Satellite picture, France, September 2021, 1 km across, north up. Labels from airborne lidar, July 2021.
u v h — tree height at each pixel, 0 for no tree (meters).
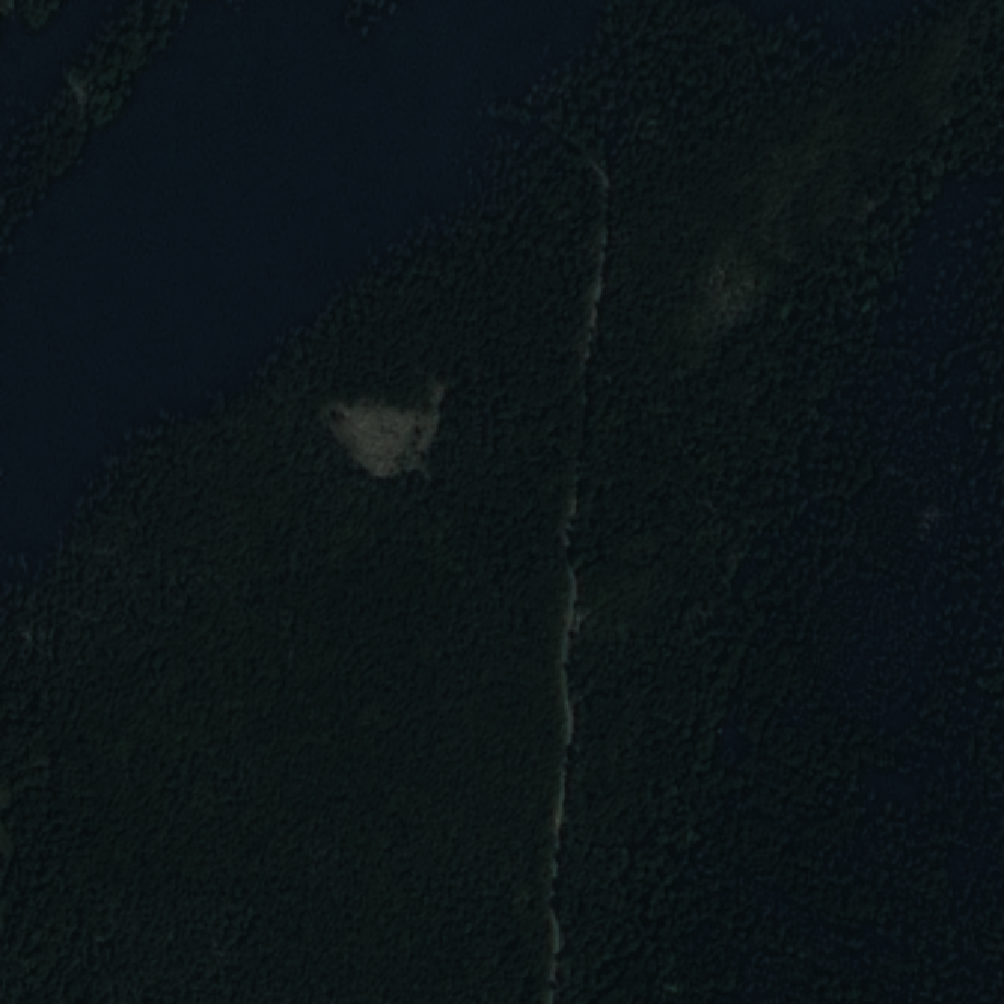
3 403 29
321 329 17
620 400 22
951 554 30
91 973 14
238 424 26
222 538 13
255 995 24
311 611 16
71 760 16
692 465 28
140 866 14
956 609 33
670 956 25
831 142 17
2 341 22
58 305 17
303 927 19
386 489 20
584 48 13
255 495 18
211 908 18
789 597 38
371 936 15
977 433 23
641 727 17
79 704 16
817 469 31
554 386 29
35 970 17
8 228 25
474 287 21
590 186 18
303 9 19
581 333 11
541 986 11
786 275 19
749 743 15
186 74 20
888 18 21
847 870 19
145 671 13
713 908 31
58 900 17
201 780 22
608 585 11
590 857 16
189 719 16
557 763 13
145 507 17
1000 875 29
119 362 25
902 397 32
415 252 18
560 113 17
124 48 33
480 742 14
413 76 14
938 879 19
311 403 18
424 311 18
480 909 21
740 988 23
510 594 15
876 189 22
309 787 24
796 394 30
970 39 11
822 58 17
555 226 29
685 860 20
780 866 19
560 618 12
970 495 28
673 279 13
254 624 19
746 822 24
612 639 7
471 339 24
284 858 18
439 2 32
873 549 25
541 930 15
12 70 11
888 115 16
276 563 12
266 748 19
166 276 24
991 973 21
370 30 18
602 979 18
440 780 16
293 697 19
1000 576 30
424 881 10
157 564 13
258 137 13
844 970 26
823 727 21
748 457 23
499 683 10
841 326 22
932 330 25
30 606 15
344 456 9
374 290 18
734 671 23
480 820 14
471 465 19
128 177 19
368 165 10
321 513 13
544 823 15
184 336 14
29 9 25
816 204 13
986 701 22
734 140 18
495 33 18
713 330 9
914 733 30
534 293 22
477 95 26
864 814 11
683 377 8
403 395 13
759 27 17
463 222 16
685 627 22
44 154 34
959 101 28
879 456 30
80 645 13
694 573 24
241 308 30
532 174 27
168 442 22
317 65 14
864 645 28
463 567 19
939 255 29
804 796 19
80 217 13
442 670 16
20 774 9
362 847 15
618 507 21
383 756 19
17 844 8
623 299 13
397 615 14
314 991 24
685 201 16
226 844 20
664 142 23
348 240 23
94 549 17
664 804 28
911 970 26
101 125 21
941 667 29
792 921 30
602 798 18
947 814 23
